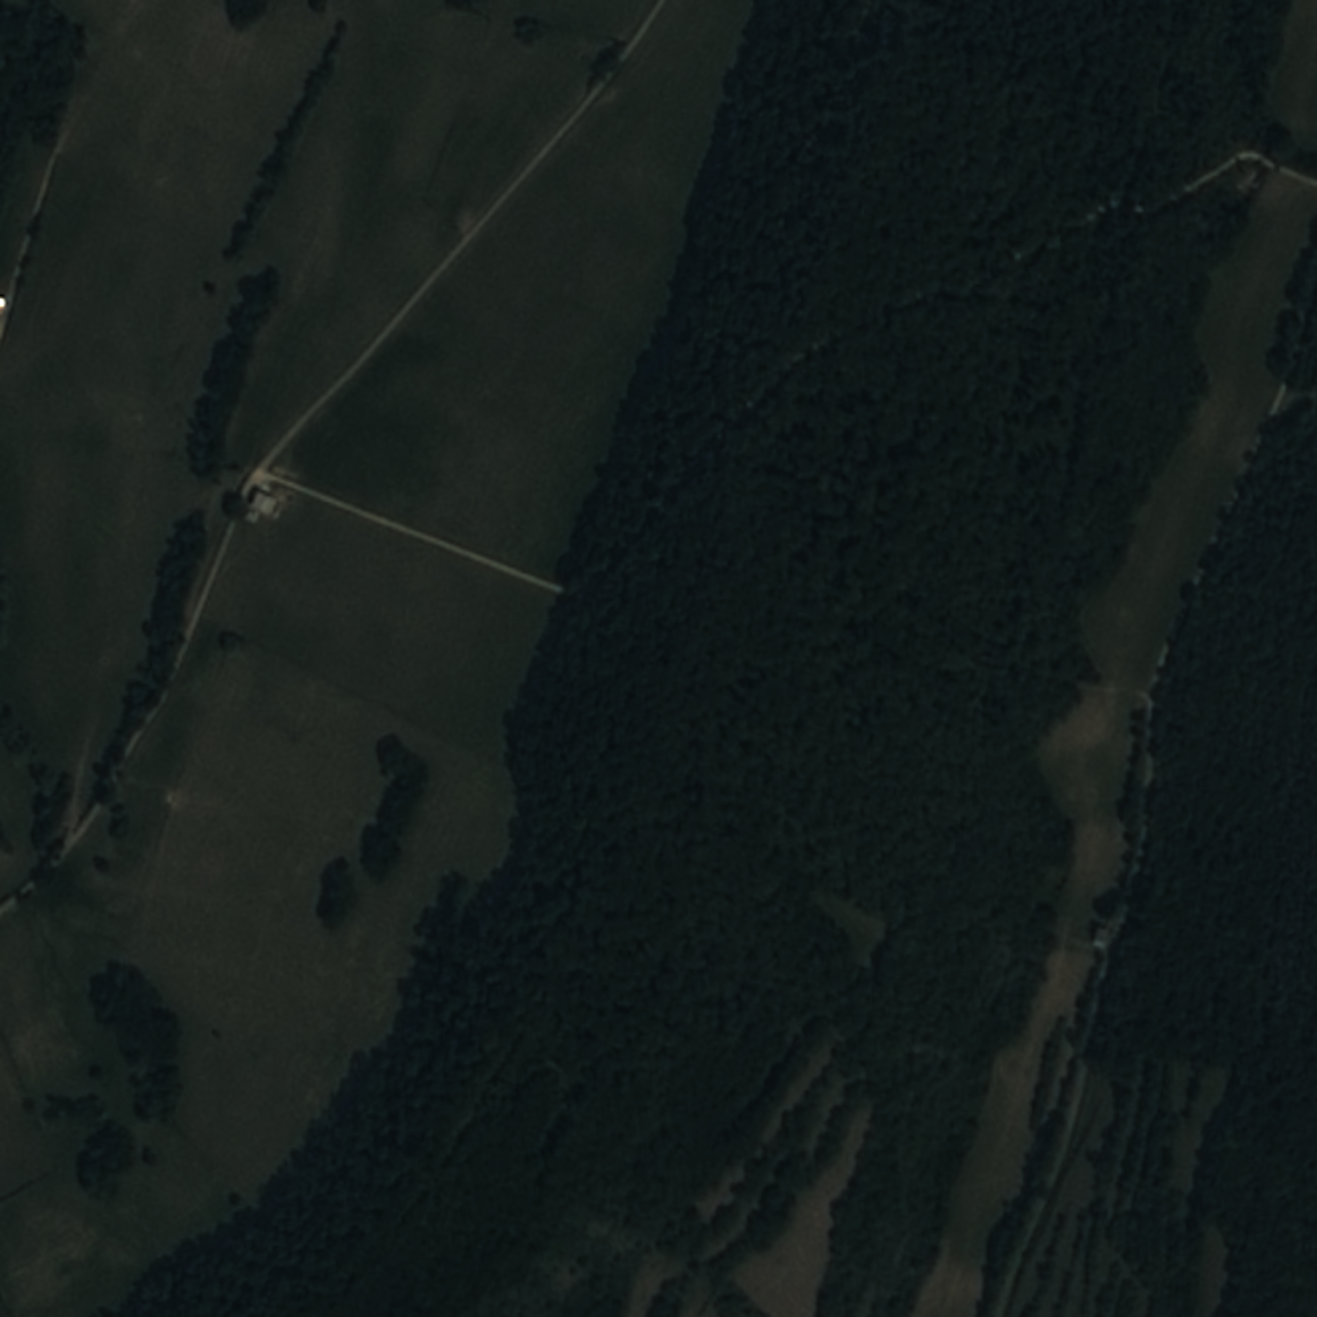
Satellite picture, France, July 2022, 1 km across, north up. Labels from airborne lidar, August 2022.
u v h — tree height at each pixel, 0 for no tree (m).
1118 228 13
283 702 0
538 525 0
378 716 0
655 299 0
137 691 8
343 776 0
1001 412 19
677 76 0
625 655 27
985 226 21
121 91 0
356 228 0
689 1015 19
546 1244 11
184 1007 0
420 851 0
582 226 0
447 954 13
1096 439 21
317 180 0
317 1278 21
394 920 0
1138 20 13
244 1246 27
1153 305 18
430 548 0
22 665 0
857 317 19
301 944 0
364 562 0
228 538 0
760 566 19
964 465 20
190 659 0
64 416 0
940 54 21
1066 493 15
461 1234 16
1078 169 18
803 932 22
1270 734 10
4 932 0
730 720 22
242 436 0
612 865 20
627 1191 8
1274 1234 17
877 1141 11
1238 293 0
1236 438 0
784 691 24
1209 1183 20
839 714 23
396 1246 16
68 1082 0
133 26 0
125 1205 0
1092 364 18
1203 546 0
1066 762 0
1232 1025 14
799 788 18
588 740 28
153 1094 14
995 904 6
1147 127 14
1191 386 19
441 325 0
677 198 0
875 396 22
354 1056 0
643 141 0
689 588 21
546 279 0
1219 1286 0
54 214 0
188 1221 0
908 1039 8
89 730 0
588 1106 20
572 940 20
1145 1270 14
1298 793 13
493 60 0
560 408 0
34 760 9
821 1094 8
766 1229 13
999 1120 0
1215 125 13
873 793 18
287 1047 0
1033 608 15
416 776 14
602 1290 13
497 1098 11
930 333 19
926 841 17
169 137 0
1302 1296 16
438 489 0
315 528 0
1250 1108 20
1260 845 14
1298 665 11
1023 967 9
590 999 20
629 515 23
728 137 21
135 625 0
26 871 0
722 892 20
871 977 14
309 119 8
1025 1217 13
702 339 27
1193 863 14
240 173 0
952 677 22
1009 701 13
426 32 0
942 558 19
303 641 0
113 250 0
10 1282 0
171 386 0
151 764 0
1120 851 0
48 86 16
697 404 23
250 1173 0
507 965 26
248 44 0
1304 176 0
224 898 0
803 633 22
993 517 17
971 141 20
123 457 0
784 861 24
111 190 0
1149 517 0
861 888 20
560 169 0
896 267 16
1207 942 16
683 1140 16
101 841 0
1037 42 31
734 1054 19
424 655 0
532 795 22
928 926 15
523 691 0
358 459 0
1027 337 14
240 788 0
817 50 26
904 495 27
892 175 18
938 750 17
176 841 0
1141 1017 19
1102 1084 0
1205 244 20
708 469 21
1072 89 16
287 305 0
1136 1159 12
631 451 20
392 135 0
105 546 0
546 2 0
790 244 23
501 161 0
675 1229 11
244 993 0
